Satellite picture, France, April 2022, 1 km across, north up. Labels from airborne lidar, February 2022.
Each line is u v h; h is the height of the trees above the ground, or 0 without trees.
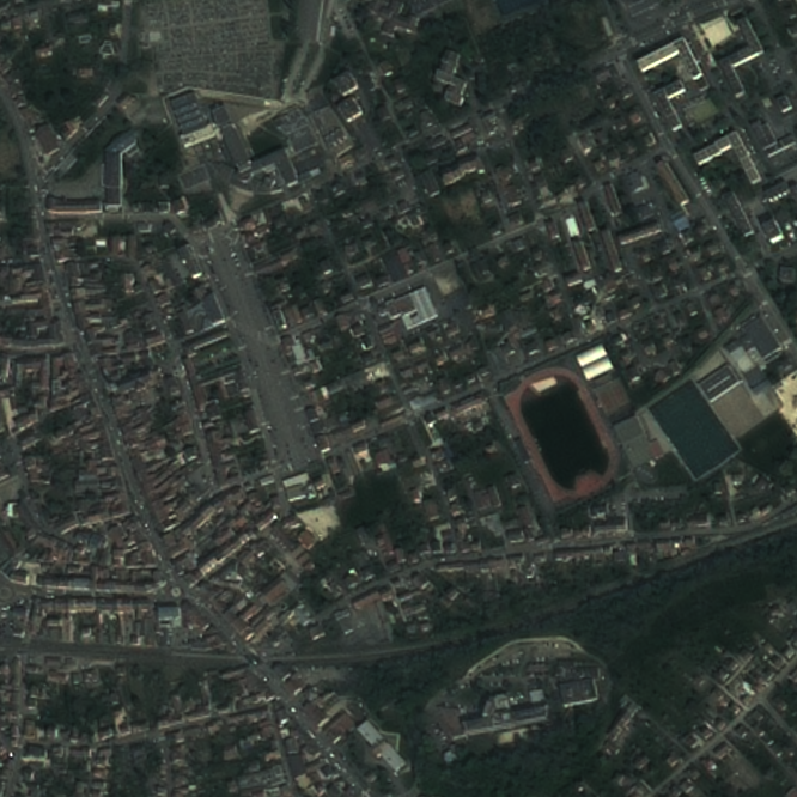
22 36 0
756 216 0
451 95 0
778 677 0
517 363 0
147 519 0
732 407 0
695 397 0
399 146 0
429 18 0
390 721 0
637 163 0
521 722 0
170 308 0
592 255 0
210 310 0
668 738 0
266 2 0
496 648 14
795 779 0
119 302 0
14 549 0
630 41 0
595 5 0
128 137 0
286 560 0
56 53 0
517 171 0
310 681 0
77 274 0
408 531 6
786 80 0
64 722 0
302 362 0
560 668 0
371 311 0
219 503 0
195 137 14
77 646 0
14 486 0
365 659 0
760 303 0
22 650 0
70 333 0
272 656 0
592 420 0
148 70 20
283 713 0
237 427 0
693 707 13
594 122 12
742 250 15
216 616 0
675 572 8
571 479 0
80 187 0
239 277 0
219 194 0
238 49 0
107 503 0
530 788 21
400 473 0
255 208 0
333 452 0
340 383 0
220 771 0
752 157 0
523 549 0
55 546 0
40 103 0
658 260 8
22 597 0
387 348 6
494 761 18
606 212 0
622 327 0
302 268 0
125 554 0
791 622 0
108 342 0
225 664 0
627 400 0
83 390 0
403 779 0
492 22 0
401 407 0
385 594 0
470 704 0
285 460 0
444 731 0
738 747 0
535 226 0
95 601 0
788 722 0
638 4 0
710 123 0
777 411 0
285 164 0
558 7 19
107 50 0
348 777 0
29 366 0
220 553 0
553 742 30
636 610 26
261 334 0
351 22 0
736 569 22
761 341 0
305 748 0
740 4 0
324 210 0
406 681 11
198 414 0
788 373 0
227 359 0
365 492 0
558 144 9
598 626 18
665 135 0
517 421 0
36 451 7
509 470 0
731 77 0
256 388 0
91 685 0
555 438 0
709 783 0
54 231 0
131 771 0
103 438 0
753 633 0
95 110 0
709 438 0
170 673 0
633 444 0
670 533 0
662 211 0
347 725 0
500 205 0
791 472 14
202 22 0
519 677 0
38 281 0
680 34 0
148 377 0
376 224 6
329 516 0
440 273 0
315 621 0
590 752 23
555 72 8
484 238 0
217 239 0
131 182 9
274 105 0
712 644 0
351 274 0
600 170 0
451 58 0
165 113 0
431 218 0
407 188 0
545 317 0
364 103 0
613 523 0
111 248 0
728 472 0
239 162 0
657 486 0
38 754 0
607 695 0
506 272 0
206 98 0
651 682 0
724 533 0
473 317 0
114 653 0
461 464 18
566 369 0
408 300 0
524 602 8
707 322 0
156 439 0
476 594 7
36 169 0
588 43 0
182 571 0
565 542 0
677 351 0
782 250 0
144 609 0
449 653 16
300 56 0
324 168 0
